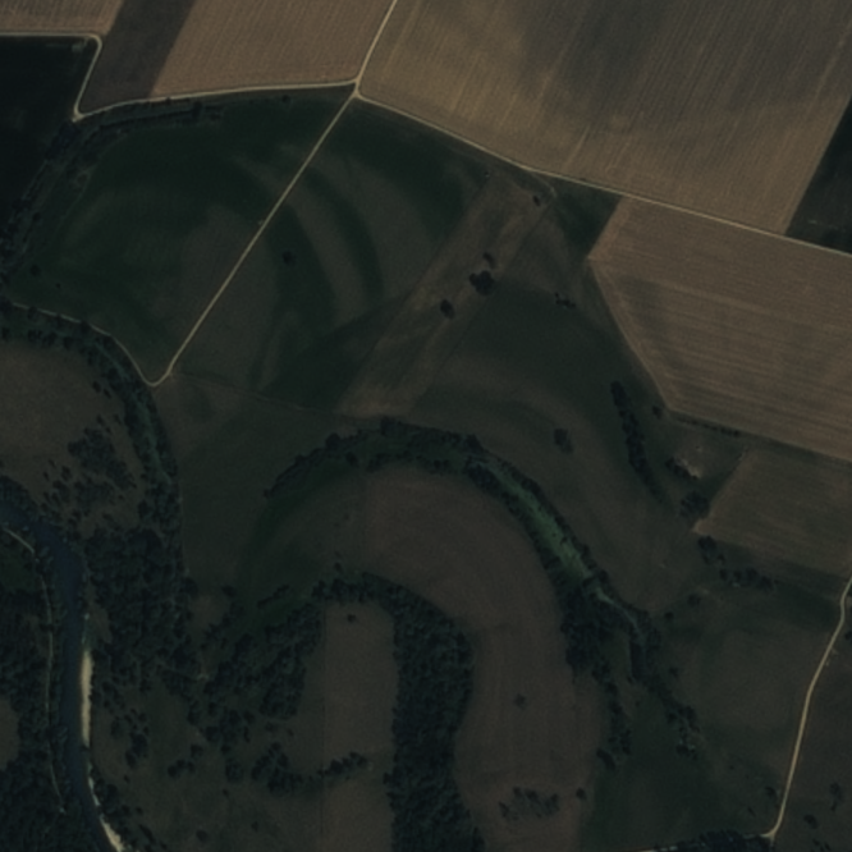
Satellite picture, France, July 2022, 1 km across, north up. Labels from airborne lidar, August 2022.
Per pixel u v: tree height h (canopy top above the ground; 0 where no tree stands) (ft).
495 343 0
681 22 0
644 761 0
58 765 18
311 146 0
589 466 0
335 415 0
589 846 0
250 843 0
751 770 0
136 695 0
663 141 0
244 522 0
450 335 0
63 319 45
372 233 0
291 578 0
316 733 0
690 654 0
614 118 0
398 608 70
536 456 0
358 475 0
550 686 0
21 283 0
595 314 0
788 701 0
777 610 0
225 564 0
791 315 0
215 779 0
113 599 103
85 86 0
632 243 0
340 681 0
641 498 0
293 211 0
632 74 0
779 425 0
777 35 0
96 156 21
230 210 0
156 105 17
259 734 0
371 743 0
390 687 0
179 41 0
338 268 0
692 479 42
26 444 0
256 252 0
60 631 44
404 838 40
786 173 0
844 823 0
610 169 0
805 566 0
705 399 0
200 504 0
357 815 0
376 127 0
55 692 40
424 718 48
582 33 0
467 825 58
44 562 83
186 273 0
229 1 0
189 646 57
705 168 0
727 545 0
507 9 0
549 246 0
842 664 0
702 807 0
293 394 0
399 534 0
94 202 0
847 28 0
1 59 0
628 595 0
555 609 0
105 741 0
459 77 0
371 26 0
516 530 0
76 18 0
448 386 0
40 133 0
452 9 0
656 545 0
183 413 0
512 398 0
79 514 50
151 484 36
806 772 0
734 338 0
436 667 36
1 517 0
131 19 0
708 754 0
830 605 0
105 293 0
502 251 0
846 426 0
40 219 47
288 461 0
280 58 0
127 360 23
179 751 0
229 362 0
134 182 0
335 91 0
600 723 0
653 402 0
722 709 0
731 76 0
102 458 54
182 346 0
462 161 0
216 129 0
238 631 0
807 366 0
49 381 0
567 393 0
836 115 0
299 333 0
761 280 0
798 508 0
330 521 0
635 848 0
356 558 0
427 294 0
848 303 0
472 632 0
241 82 0
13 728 0
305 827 0
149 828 0
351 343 0
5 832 87
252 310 0
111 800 59
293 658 46
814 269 0
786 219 0
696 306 0
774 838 0
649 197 0
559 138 0
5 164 0
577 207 0
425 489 0
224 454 0
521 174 0
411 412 0
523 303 0
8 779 57
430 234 0
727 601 0
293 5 0
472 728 0
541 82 0
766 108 0
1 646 49
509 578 0
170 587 43
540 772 0
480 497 0
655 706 0
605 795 0
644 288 0
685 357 0
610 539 0
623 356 0
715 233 0
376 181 0
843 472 0
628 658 0
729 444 0
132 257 0
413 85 0
